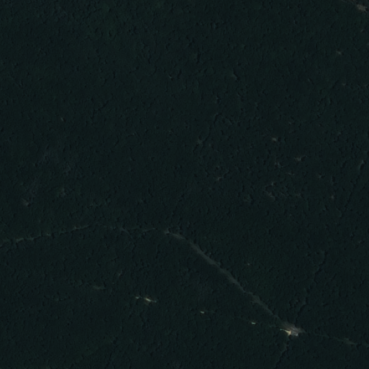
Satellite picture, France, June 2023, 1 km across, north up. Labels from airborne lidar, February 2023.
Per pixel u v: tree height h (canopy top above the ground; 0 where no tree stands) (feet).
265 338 72
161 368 93
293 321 81
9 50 91
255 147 91
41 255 98
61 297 103
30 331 112
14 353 111
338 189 91
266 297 69
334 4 93
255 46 83
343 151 91
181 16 92
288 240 88
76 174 78
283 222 90
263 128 89
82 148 81
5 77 77
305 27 93
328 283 96
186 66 86
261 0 92
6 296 102
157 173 90
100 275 102
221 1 98
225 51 97
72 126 87
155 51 79
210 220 78
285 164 83
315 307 88
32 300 112
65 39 91
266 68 92
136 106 95
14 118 84
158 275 77
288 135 99
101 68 82
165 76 89
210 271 83
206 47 104
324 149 102
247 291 57
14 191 80
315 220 99
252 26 70
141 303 94
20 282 96
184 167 79
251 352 79
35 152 83
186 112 87
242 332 76
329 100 80
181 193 77
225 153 90
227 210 90
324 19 89
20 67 66
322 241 105
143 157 90
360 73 82
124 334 104
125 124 92
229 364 90
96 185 98
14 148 103
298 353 93
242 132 92
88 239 82
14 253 87
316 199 92
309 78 99
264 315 60
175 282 85
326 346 102
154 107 90
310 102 92
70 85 87
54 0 77
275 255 76
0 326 109
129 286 60
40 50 74
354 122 83
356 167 97
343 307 86
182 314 81
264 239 82
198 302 83
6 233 102
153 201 91
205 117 101
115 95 83
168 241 88
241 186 90
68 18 79
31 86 83
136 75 91
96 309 110
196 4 96
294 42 94
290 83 91
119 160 94
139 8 84
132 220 84
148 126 96
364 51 89
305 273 99
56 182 81
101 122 91
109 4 80
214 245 72
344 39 84
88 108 81
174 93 86
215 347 88
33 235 84
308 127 96
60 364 113
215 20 88
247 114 92
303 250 94
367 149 86
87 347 115
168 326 86
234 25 87
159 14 91
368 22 93
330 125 91
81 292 104
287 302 85
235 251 75
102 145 89
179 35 93
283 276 65
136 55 91
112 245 85
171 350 85
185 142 82
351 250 96
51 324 123
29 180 65
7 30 94
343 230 107
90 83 83
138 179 93
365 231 90
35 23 94
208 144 88
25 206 85
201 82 101
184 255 91
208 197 91
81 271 99
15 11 84
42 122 81
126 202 88
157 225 83
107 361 70
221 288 85
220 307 79
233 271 79
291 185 82
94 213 75
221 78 99
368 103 86
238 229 71
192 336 73
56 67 70
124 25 47
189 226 81
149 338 88
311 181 100
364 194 101
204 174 89
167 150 89
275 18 94
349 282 90
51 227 73
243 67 88
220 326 81
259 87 84
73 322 114
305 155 96
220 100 99
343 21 98
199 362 95
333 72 92
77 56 95
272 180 95
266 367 85
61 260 99
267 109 95
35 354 115
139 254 97
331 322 83
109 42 83
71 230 72
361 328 90
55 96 79
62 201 82
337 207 91
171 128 92
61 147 77
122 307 102
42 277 82
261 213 91
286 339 73
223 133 91
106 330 100
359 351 88
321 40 85
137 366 103
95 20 84
